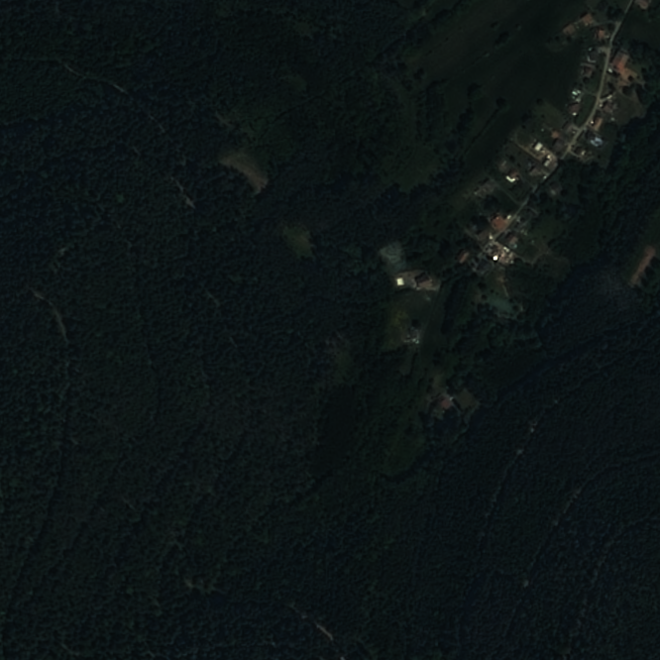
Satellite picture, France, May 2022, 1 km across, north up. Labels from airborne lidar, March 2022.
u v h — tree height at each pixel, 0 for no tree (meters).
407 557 15
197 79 20
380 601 9
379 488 21
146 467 28
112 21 27
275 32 11
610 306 27
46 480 30
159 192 27
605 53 0
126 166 30
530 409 21
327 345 32
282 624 29
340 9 25
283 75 14
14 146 28
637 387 20
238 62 15
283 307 24
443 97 12
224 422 23
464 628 26
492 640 25
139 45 19
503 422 20
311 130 12
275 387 25
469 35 0
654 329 28
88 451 27
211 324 28
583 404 18
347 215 32
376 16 14
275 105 11
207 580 40
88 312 29
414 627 22
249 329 23
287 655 26
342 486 16
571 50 0
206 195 33
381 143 14
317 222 34
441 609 18
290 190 19
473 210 0
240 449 26
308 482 15
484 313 20
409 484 19
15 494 25
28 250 26
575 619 13
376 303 18
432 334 0
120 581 30
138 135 34
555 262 0
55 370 20
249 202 27
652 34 0
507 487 12
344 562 25
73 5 31
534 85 0
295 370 29
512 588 17
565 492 11
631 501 16
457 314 18
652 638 10
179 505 24
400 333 0
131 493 22
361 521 28
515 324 21
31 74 12
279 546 24
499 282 0
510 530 16
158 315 29
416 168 0
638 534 11
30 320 23
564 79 0
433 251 20
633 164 19
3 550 31
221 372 28
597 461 11
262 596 28
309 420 18
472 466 20
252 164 0
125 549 30
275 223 38
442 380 0
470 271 15
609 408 15
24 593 30
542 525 16
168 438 25
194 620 35
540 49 0
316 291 35
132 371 25
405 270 0
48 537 20
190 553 24
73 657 12
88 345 27
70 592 28
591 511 9
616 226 22
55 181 30
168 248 27
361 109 11
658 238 0
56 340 27
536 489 11
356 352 6
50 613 34
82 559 28
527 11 0
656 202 17
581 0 0
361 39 12
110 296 26
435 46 0
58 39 9
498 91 0
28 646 34
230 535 24
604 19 0
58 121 31
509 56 0
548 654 9
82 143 32
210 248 31
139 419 15
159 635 37
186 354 29
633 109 0
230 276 25
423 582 19
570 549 9
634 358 27
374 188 34
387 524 15
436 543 25
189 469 28
